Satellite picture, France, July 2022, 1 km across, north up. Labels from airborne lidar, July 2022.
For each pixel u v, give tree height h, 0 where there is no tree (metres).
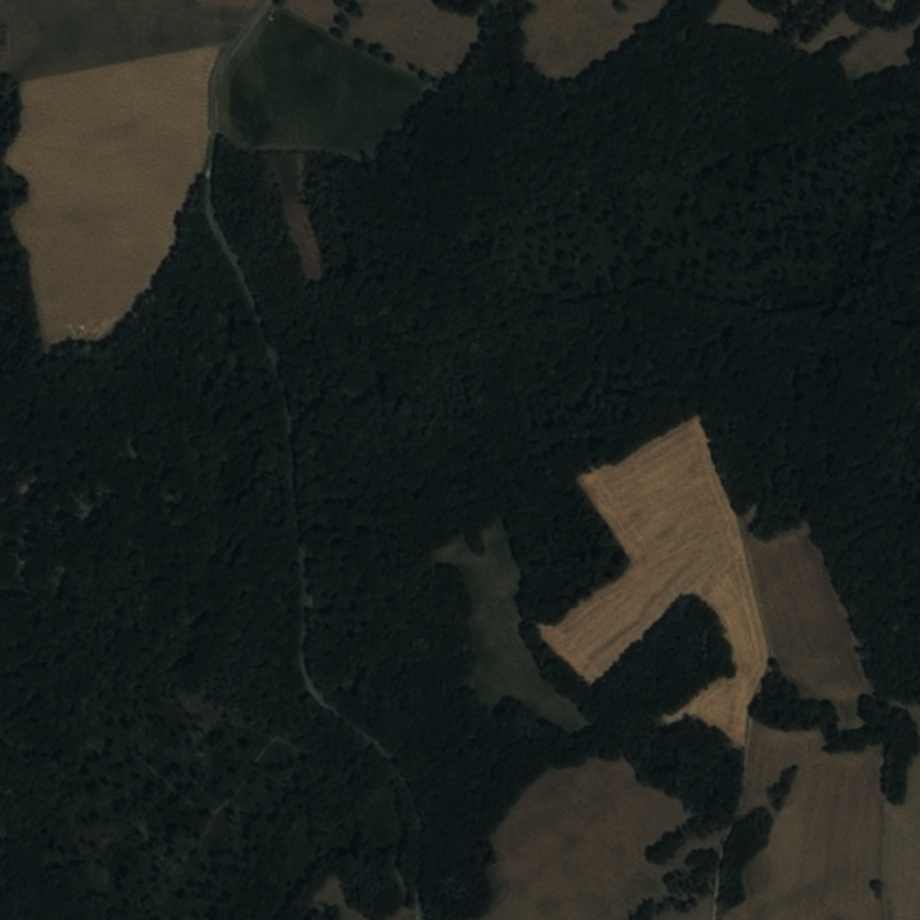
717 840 0
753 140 21
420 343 14
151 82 0
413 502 26
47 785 22
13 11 0
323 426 23
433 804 19
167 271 17
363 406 20
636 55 23
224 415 24
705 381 21
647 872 0
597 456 25
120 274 0
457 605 20
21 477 16
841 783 0
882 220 25
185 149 0
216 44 0
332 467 25
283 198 6
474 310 18
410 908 10
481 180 21
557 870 0
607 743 20
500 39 21
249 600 19
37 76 0
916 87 19
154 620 24
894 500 23
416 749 24
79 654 19
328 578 20
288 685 20
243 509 19
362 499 25
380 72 0
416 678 20
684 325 20
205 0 0
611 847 0
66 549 24
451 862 24
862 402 24
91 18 0
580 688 21
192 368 25
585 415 19
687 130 15
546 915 0
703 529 0
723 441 19
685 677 23
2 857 11
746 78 20
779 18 17
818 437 25
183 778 22
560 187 20
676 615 17
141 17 0
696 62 20
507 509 22
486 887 23
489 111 21
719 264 22
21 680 23
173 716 0
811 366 29
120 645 23
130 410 21
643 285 19
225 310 25
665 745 19
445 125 25
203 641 25
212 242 19
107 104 0
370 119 0
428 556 20
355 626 22
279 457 18
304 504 13
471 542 17
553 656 11
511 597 0
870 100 21
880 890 10
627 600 0
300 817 7
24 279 16
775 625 0
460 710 20
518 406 21
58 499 28
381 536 22
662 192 0
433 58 0
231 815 18
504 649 0
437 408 18
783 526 17
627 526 0
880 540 19
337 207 19
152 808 18
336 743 22
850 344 21
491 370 22
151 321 20
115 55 0
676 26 18
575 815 0
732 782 20
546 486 28
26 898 21
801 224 19
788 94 20
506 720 23
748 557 0
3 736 23
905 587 22
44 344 13
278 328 19
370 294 20
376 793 19
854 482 21
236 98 0
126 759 0
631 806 0
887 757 13
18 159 0
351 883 19
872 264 22
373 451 17
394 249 24
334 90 0
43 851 25
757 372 24
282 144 0
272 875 10
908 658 20
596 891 0
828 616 0
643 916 14
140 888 19
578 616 0
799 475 21
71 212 0
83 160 0
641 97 22
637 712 19
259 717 21
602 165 21
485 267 19
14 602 27
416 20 0
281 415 23
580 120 22
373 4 0
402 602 20
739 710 0
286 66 0
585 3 0
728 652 19
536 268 19
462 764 24
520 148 19
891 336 21
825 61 18
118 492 24
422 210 26
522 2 24
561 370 24
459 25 0
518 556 17
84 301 0
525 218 18
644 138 22
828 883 0
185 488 22
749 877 0
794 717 17
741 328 23
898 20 16
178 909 0
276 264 15
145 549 24
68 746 24
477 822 23
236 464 14
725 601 0
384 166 24
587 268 17
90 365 18
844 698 0
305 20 0
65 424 19
